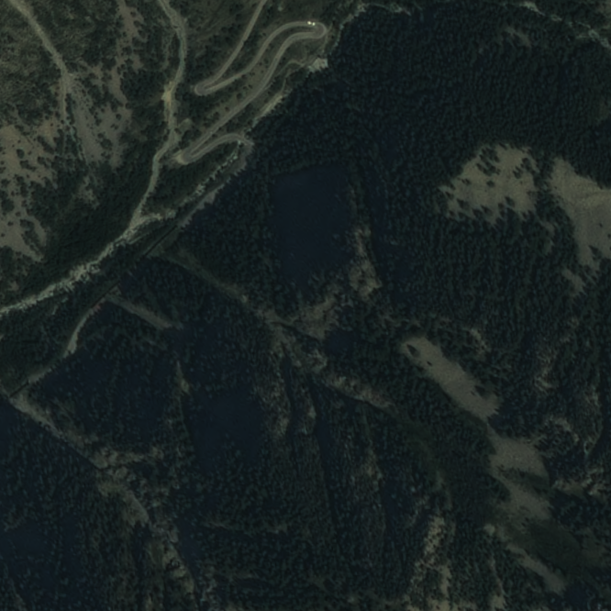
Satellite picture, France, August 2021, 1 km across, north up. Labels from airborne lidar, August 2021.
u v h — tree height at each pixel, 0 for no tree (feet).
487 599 42
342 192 32
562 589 0
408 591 29
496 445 0
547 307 45
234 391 43
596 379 64
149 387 96
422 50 81
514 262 82
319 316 0
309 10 0
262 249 72
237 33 37
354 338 51
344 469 61
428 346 0
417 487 42
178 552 0
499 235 74
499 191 0
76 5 19
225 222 80
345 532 72
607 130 33
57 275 42
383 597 36
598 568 0
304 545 80
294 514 59
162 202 61
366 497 50
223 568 60
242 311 48
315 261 26
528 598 19
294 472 66
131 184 23
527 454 0
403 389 74
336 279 28
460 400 0
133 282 37
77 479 43
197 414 45
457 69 88
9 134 0
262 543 66
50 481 52
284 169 52
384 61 85
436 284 65
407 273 62
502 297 76
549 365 38
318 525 39
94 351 51
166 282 78
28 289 39
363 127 67
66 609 43
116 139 0
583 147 105
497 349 46
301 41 0
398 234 69
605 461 34
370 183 45
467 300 51
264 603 72
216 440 43
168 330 0
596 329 57
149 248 0
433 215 28
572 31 25
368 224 60
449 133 82
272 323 0
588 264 0
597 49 64
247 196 92
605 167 76
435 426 46
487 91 81
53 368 0
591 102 66
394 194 87
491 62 77
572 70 97
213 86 0
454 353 85
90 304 30
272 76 0
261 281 37
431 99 66
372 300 23
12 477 57
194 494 37
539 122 74
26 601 24
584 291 0
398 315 37
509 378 44
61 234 26
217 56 29
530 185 0
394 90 73
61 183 62
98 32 30
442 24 99
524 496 0
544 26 74
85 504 44
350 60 85
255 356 48
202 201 0
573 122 82
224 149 26
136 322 64
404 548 41
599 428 54
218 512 66
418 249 37
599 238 0
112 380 83
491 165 38
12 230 0
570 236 19
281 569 64
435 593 29
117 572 30
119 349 80
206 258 39
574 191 0
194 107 40
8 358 23
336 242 29
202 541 49
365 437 63
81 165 49
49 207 25
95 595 50
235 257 78
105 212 41
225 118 0
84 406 29
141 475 35
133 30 0
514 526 0
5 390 0
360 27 68
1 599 62
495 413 0
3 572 63
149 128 27
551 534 0
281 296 63
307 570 33
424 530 26
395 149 33
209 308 28
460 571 30
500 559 36
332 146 78
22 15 0
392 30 47
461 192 0
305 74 28
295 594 43
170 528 0
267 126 59
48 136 0
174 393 51
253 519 76
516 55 102
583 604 31
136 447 18
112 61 28
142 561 43
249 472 76
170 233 0
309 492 44
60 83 0
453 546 27
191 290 66
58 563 81
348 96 79
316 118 72
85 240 29
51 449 35
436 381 0
